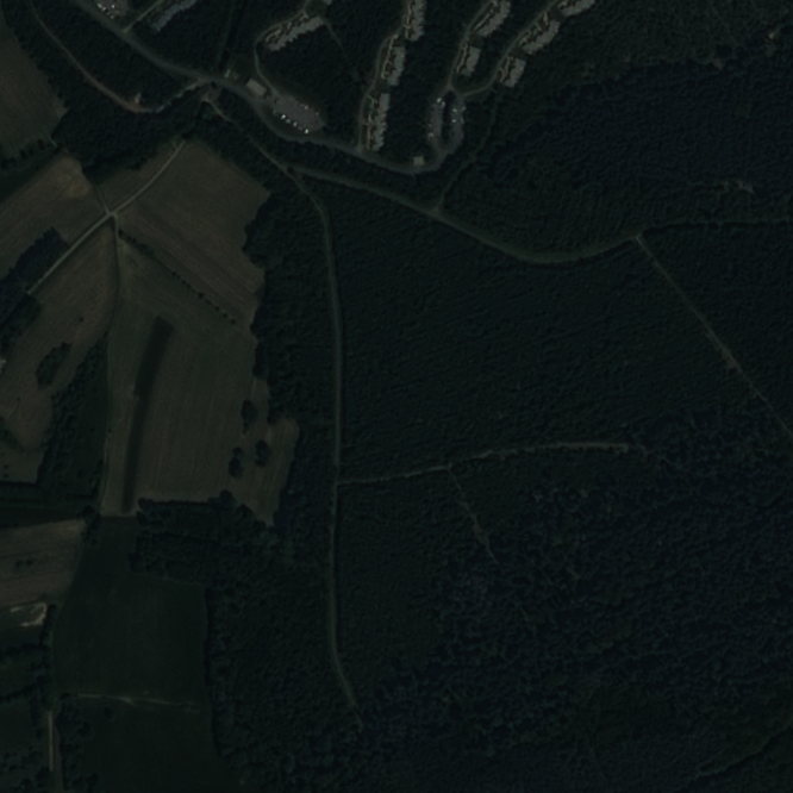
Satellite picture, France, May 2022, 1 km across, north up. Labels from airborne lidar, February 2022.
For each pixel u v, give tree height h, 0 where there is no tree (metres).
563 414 12
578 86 11
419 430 8
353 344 10
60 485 11
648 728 23
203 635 0
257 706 16
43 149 16
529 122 12
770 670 31
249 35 15
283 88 0
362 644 12
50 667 17
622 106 27
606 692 16
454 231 11
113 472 0
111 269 0
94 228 0
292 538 16
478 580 31
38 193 0
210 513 15
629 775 28
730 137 27
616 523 20
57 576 0
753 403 7
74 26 13
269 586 16
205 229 0
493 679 31
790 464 27
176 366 0
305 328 10
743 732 16
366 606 13
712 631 35
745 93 30
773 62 11
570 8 0
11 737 0
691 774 22
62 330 0
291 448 0
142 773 0
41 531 0
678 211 11
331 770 19
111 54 16
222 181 0
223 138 15
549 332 16
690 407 11
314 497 23
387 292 11
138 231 0
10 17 9
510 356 9
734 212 10
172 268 0
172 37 15
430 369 11
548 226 11
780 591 12
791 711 15
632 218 10
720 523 35
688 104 33
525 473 12
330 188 10
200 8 14
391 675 11
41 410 0
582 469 12
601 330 10
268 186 16
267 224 20
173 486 0
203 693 0
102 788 10
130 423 0
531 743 19
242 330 0
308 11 0
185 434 0
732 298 12
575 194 11
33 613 0
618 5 11
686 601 35
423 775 23
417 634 12
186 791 0
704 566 33
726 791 17
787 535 34
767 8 9
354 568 10
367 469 10
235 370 0
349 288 12
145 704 0
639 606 36
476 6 14
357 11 12
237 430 0
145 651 0
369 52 12
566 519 31
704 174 24
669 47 9
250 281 0
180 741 0
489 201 5
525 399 11
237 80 0
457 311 11
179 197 0
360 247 10
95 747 0
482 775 25
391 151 12
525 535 14
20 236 0
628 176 27
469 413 10
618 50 11
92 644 0
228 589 17
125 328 0
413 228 10
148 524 26
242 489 0
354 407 9
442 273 11
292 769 8
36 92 0
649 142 29
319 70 14
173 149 0
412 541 12
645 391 12
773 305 11
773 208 8
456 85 0
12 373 0
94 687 0
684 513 32
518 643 34
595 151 26
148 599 0
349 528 13
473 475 11
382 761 21
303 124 0
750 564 37
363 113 0
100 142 15
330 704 12
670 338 9
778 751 13
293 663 19
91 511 12
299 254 12
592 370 9
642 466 12
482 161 6
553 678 32
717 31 11
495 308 11
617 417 11
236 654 18
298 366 10
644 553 32
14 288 19
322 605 13
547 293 12
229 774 0
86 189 0
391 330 11
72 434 8
